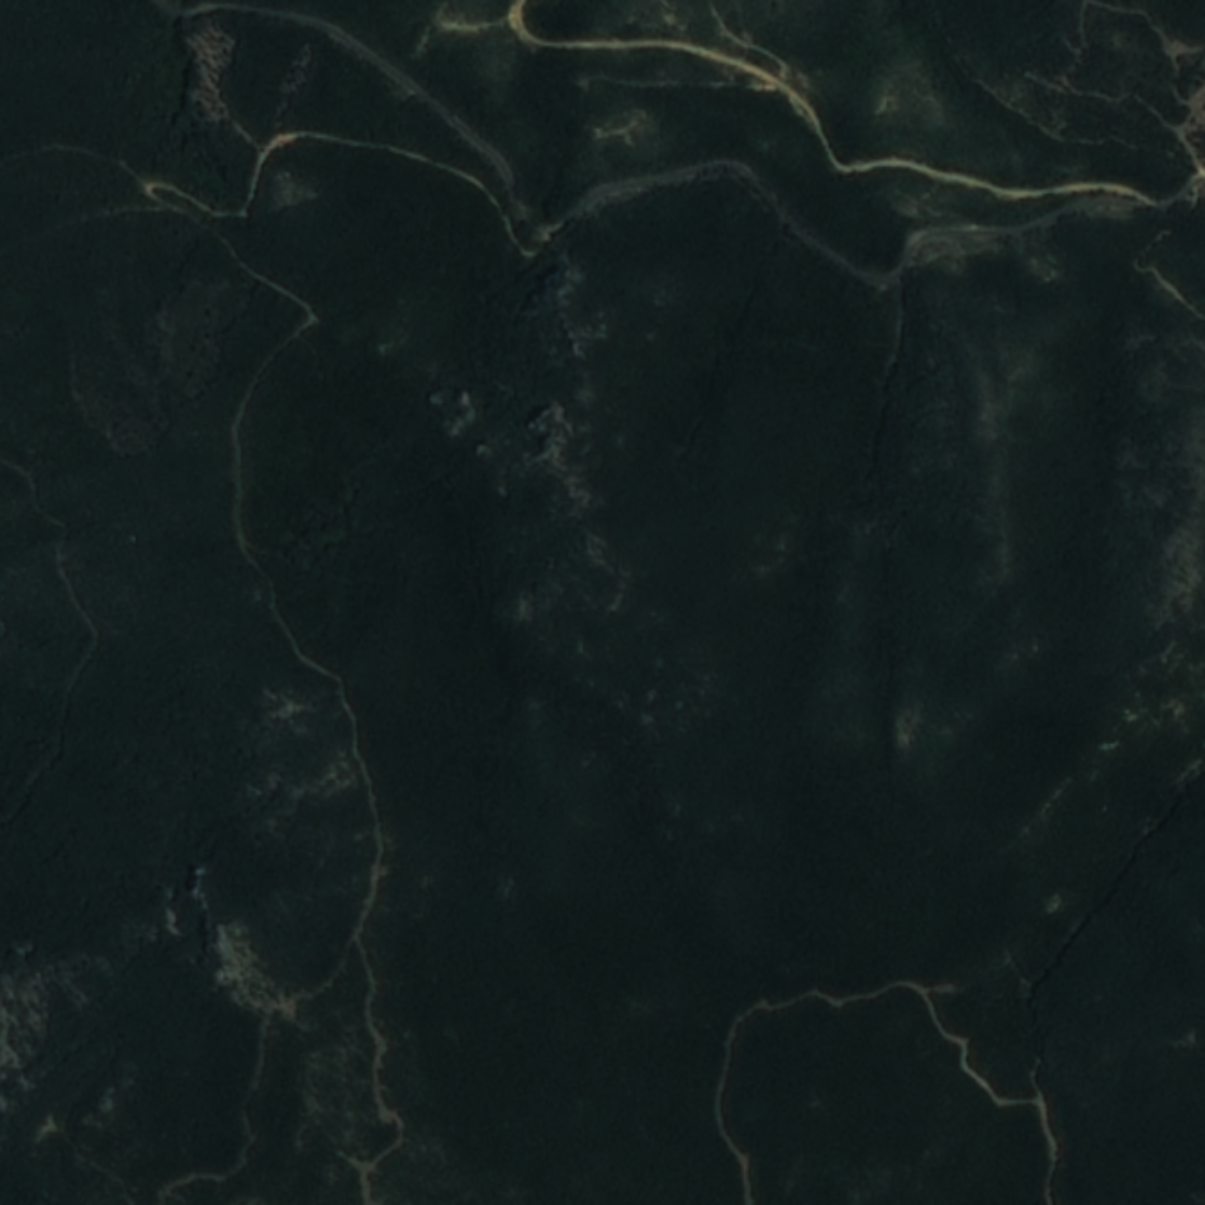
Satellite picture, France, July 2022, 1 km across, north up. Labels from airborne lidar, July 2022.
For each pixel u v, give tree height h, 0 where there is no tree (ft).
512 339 18
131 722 18
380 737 20
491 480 22
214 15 31
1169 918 18
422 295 21
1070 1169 19
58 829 18
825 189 24
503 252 45
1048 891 23
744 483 18
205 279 27
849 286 23
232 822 26
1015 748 20
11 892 25
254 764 22
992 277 25
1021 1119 19
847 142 19
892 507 19
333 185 24
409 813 17
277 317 22
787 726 18
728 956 19
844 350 22
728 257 26
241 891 22
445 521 21
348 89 33
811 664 18
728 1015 18
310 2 22
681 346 19
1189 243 19
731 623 18
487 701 23
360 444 31
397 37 19
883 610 26
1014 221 23
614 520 18
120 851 33
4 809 28
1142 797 32
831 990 18
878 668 23
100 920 28
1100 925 29
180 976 23
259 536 22
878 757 24
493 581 24
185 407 17
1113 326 21
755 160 27
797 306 23
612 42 0
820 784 21
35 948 24
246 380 21
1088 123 24
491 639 23
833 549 22
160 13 20
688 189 18
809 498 23
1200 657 18
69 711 22
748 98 17
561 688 21
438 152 25
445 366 27
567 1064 17
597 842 18
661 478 25
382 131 26
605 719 22
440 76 21
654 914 25
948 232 0
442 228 21
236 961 0
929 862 17
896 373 29
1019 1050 29
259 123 22
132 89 30
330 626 21
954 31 19
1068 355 19
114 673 17
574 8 21
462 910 18
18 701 19
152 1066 20
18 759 23
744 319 23
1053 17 23
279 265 27
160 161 24
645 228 19
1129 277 32
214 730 23
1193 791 48
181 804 27
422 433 28
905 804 19
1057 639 18
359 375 19
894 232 20
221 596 17
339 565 22
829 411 26
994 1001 23
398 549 25
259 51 33
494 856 22
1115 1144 23
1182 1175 22
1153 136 19
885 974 17
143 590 20
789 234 27
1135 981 18
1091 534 25
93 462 18
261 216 19
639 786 21
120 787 27
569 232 25
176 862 24
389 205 18
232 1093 17
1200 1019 17
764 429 22
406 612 18
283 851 18
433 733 18
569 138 17
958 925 18
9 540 20
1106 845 29
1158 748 18
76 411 20
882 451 24
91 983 21
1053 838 25
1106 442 20
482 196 21
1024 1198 21
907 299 29
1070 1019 19
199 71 33
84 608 19
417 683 20
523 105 20
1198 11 25
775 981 17
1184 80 21
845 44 26
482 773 25
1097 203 0
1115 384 18
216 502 18
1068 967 39
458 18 0
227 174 36
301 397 19
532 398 21
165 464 18
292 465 23
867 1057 19
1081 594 20
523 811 19
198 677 20
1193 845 20
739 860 17
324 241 21
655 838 17
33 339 20
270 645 19
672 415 22
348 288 18
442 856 20
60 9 18
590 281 18
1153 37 19
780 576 21
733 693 20
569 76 20
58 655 17
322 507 32
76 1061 21
